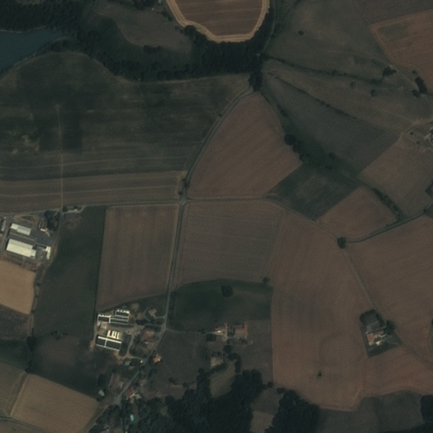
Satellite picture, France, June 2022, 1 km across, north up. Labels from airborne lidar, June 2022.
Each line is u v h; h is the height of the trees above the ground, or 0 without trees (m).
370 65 0
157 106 0
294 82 0
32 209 0
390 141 0
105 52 10
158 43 0
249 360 0
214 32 0
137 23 0
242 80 0
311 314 0
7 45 0
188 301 0
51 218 19
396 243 0
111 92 0
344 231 0
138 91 0
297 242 0
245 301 0
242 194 0
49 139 0
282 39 0
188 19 0
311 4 0
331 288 0
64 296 0
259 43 17
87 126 0
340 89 0
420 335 0
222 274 0
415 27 0
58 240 0
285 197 0
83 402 0
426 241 0
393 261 0
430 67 0
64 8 7
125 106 0
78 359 0
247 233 0
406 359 0
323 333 0
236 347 0
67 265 0
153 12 0
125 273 0
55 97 0
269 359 0
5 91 0
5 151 0
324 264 0
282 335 0
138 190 0
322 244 0
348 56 0
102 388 11
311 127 0
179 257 0
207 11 0
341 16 0
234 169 0
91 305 0
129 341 0
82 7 12
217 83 0
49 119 0
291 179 0
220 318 0
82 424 0
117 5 0
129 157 0
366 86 0
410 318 0
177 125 0
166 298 0
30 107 0
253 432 0
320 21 0
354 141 0
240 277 0
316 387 0
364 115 0
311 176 0
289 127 0
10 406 0
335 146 0
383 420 0
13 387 0
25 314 0
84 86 0
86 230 0
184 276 0
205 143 0
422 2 0
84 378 0
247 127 0
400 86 0
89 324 0
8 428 0
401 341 0
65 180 0
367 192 0
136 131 0
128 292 0
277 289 0
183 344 0
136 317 0
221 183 0
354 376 0
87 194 0
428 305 0
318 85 0
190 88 0
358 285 0
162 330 0
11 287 0
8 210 0
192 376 0
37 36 0
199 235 0
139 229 0
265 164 0
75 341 0
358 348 0
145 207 0
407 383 0
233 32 0
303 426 18
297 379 0
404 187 0
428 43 0
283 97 0
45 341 0
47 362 0
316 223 0
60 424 0
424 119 0
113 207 0
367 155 0
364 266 0
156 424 24
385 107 0
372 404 0
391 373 0
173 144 0
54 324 0
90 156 0
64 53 0
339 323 0
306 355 0
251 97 0
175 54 0
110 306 0
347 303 0
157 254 0
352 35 0
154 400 7
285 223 0
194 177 0
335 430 0
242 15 0
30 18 16
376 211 0
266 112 0
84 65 0
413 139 0
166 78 15
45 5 15
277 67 0
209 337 9
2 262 0
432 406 20
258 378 16
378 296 0
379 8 0
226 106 0
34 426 0
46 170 0
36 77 0
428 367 0
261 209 0
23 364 0
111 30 0
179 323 0
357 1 0
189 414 26
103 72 0
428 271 0
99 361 0
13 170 0
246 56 21
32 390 0
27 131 0
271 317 0
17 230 0
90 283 0
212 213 0
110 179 0
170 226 0
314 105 0
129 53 0
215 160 0
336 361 0
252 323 0
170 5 0
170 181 0
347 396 0
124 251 0
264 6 0
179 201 0
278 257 0
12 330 0
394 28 0
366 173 0
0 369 0
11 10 15
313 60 0
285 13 0
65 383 0
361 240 0
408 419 0
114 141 0
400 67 0
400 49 0
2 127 0
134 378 0
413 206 0
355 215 0
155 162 0
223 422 13
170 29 0
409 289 0
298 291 0
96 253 0
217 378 0
